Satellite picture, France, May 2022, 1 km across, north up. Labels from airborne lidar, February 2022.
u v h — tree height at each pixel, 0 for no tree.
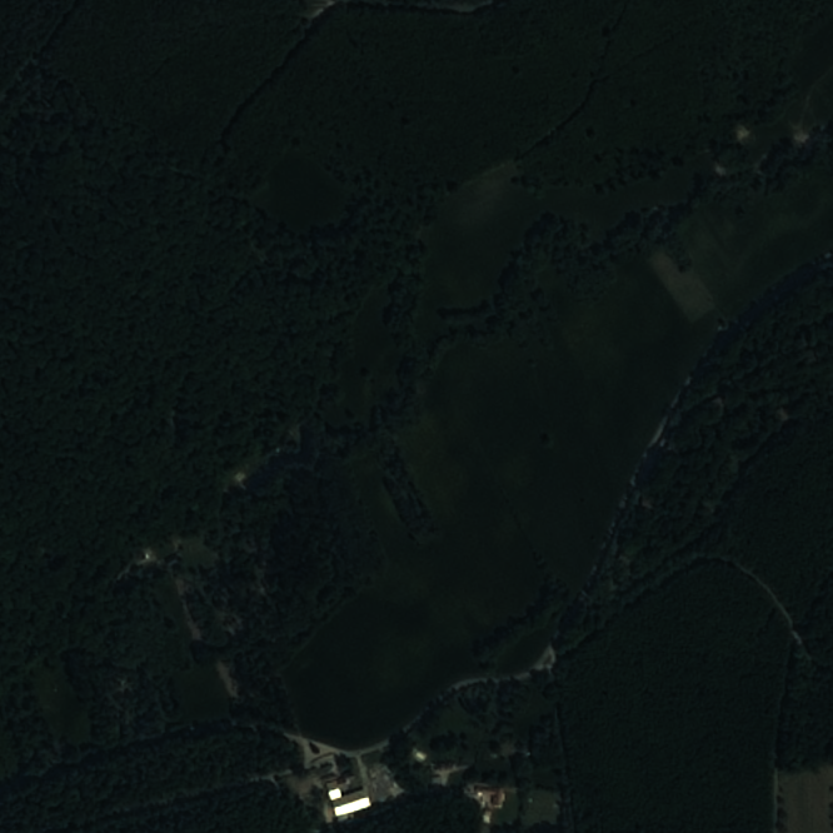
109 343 29
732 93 13
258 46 17
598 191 24
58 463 30
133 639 30
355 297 21
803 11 19
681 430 26
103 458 30
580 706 18
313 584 23
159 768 31
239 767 18
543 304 16
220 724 0
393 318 23
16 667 27
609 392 0
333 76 16
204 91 16
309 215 0
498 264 0
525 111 11
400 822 23
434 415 0
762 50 10
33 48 23
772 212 0
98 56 23
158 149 27
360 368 0
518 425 0
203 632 20
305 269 28
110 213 29
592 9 16
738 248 0
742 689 16
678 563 17
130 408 27
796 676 26
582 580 0
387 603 0
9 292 30
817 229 0
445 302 0
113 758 30
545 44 11
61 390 26
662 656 16
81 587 36
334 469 37
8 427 28
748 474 19
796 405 26
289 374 30
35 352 31
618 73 10
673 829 19
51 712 0
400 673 0
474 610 0
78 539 34
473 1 17
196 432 29
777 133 0
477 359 0
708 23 9
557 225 20
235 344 30
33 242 31
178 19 21
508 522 0
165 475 29
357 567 37
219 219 33
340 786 0
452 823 27
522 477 0
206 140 21
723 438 30
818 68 0
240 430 17
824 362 26
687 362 0
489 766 0
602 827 16
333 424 0
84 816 26
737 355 13
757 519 19
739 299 0
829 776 0
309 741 0
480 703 11
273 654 18
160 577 14
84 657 23
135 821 10
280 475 21
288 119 12
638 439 0
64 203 30
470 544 0
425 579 0
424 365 16
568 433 0
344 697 0
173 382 27
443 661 0
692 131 9
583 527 0
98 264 28
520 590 0
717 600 16
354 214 25
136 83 17
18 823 28
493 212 0
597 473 0
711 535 20
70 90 30
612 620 17
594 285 21
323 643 0
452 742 16
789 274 0
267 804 24
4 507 31
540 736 16
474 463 0
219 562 18
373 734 0
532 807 0
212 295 30
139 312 28
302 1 14
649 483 28
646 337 0
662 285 0
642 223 8
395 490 19
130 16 20
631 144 9
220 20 21
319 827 19
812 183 0
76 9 20
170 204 29
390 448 18
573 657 15
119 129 28
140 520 30
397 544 0
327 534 20
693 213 16
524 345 13
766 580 14
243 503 22
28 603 32
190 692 0
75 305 29
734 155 17
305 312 33
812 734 29
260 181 24
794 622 7
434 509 0
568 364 0
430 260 0
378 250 29
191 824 26
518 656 0
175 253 26
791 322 29
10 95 28
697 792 17
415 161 15
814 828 0
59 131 32
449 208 0
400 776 9
